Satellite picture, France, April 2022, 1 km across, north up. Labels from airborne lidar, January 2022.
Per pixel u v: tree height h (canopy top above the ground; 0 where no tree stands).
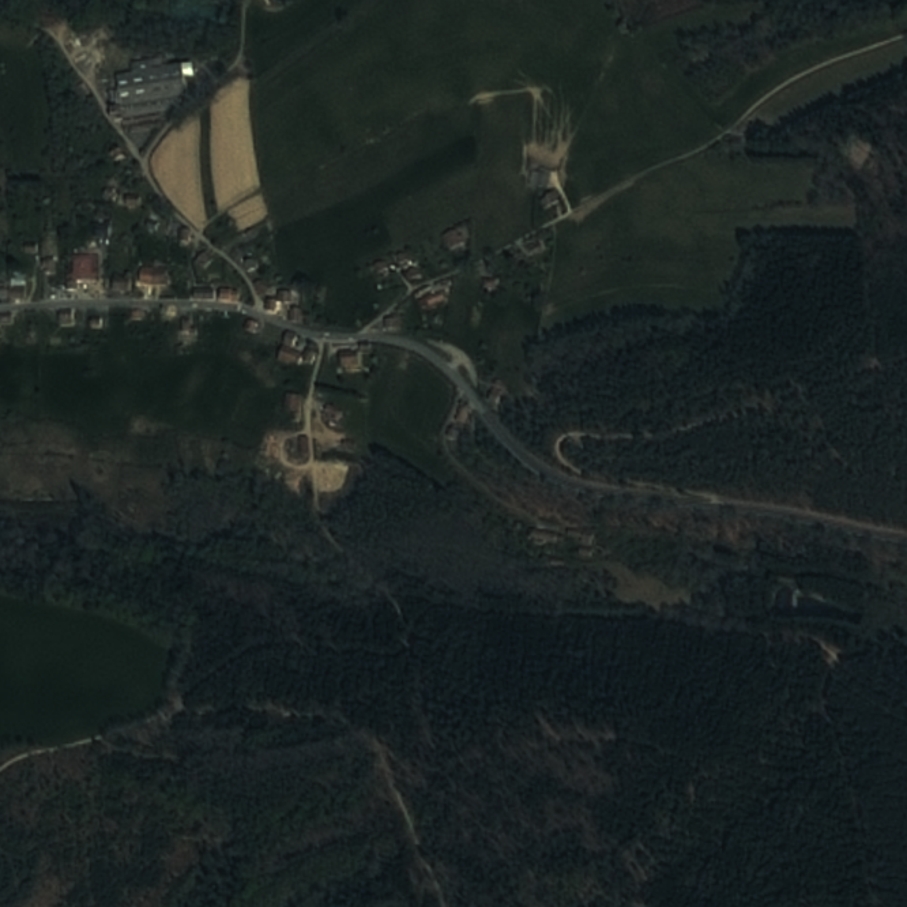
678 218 0
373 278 0
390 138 0
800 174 0
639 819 12
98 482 0
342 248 0
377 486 20
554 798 19
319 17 0
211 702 14
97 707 0
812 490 19
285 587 26
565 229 0
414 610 20
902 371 15
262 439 0
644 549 6
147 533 0
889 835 15
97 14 28
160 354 0
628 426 8
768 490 20
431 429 0
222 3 21
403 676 19
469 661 12
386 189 0
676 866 20
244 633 14
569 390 16
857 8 28
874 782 16
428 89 0
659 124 0
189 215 0
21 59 0
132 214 0
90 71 0
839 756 17
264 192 0
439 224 0
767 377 17
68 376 0
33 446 0
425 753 19
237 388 0
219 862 10
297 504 17
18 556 27
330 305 0
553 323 0
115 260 0
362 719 19
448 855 21
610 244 0
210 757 25
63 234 10
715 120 0
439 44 0
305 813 18
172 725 22
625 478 14
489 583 15
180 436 0
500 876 20
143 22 12
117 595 16
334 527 18
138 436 0
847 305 20
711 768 13
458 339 0
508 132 0
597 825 11
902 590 20
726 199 0
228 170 0
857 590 28
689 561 18
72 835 15
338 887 24
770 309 23
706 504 0
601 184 0
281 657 18
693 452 17
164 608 13
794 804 21
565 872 16
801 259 17
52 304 0
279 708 17
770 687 16
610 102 0
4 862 8
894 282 16
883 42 0
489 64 0
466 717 20
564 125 0
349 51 0
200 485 22
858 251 24
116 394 0
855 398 23
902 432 10
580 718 16
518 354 0
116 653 0
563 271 0
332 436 0
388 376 0
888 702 14
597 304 0
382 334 0
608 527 14
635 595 0
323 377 0
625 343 26
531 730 23
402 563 16
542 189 0
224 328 0
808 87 0
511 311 0
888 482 16
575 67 0
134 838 11
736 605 33
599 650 14
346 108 0
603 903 8
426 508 24
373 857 6
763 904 17
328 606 21
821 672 18
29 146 0
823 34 20
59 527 0
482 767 15
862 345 17
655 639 14
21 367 0
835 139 14
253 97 0
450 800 18
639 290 0
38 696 0
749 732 12
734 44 16
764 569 21
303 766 32
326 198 0
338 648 18
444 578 16
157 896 7
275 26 0
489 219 0
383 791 27
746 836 22
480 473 22
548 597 15
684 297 0
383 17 0
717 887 18
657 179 0
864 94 19
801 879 22
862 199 15
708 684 14
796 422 17
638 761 14
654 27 0
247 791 30
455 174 0
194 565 27
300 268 0
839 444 21
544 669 22
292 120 0
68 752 7
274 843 25
